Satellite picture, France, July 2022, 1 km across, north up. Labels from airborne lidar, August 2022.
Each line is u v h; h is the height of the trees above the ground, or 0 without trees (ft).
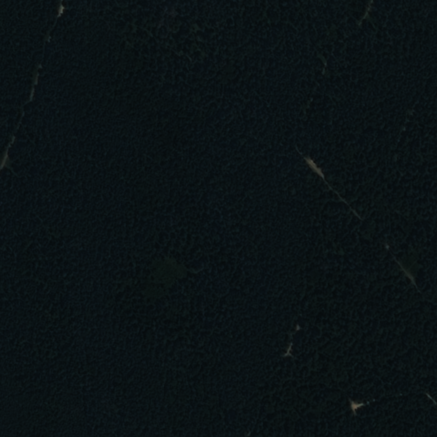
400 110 70
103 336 86
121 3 89
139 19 109
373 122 65
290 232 97
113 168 85
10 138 46
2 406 54
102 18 36
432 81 68
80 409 53
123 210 74
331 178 71
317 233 89
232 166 105
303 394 66
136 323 99
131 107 73
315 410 70
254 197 76
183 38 67
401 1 89
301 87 48
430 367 86
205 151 87
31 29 43
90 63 78
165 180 67
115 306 45
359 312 114
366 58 67
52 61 82
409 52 63
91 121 73
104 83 80
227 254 48
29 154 55
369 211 63
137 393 71
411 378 80
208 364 51
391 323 74
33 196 94
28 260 45
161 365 73
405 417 64
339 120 91
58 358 51
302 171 26
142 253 85
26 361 69
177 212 63
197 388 75
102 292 76
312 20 86
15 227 87
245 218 91
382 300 52
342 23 79
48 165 92
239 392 69
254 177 87
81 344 74
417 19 81
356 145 95
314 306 75
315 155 62
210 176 77
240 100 99
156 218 85
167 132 61
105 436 82
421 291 60
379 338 38
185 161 62
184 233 58
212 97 82
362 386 68
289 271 81
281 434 50
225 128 89
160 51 108
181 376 95
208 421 81
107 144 60
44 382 51
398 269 45
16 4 38
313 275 98
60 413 48
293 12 91
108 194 89
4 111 42
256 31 101
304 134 57
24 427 47
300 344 94
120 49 69
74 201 101
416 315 69
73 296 85
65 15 57
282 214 90
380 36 92
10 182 78
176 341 97
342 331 49
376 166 93
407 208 62
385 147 54
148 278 18
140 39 77
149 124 52
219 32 103
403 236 74
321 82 76
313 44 95
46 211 79
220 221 109
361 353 82
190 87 37
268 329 85
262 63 104
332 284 89
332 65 82
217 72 102
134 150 69
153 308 50
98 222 83
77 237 88
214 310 46
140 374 85
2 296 78
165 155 71
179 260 51
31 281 50
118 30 85
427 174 109
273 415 86
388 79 76
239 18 97
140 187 46
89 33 63
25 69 41
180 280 51
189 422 85
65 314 45
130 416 92
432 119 88
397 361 80
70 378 46
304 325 87
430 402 66
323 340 62
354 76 69
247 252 89
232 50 87
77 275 73
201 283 79
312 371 63
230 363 77
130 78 68
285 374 104
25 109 46
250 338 82
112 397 76
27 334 66
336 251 39
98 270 71
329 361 58
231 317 79
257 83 96
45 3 60
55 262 25
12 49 48
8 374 48
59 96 100
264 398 61
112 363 81
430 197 57
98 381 70
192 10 109
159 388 93
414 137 20
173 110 60
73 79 81
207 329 69
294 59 97
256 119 115
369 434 82
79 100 71
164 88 64
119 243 88
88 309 79
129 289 83
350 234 51
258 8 81
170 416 79
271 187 89
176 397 80
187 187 50
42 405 46
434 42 64
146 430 83
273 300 83
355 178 61
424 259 67
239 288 61
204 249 89
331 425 84
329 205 71
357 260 49
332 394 78
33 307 49
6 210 93
